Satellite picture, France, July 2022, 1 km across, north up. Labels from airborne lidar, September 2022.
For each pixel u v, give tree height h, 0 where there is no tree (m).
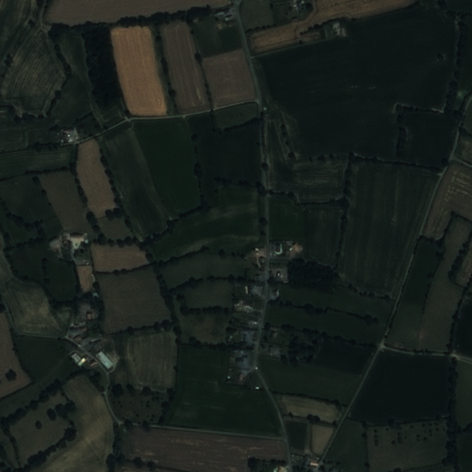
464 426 0
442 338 0
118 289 0
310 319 0
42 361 0
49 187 0
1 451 25
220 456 0
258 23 0
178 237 0
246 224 0
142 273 0
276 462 12
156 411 0
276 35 0
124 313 0
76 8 0
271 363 0
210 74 0
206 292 0
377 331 0
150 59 0
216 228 0
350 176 10
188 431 0
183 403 0
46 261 11
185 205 0
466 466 0
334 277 16
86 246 11
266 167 13
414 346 0
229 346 7
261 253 0
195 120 0
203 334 0
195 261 0
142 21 19
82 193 17
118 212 18
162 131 0
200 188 7
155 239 15
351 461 0
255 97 0
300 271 20
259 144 9
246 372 0
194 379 0
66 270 0
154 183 0
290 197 16
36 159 0
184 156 0
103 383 0
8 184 0
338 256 10
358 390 0
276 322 0
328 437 0
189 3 0
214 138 0
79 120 10
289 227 0
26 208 0
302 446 0
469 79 0
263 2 0
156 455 0
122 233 0
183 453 0
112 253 0
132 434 0
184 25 0
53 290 0
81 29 13
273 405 0
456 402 14
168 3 0
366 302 0
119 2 0
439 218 0
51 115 11
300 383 0
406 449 0
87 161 0
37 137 0
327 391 0
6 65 12
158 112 0
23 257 0
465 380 0
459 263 15
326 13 0
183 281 0
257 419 0
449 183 0
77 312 8
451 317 0
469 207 0
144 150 0
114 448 12
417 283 0
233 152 0
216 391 0
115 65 14
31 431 0
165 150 0
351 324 0
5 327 0
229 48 0
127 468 0
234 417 0
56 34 14
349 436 0
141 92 0
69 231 0
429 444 0
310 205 6
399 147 16
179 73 0
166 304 13
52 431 0
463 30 18
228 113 0
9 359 0
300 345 8
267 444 0
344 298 0
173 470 0
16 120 19
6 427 14
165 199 0
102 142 0
